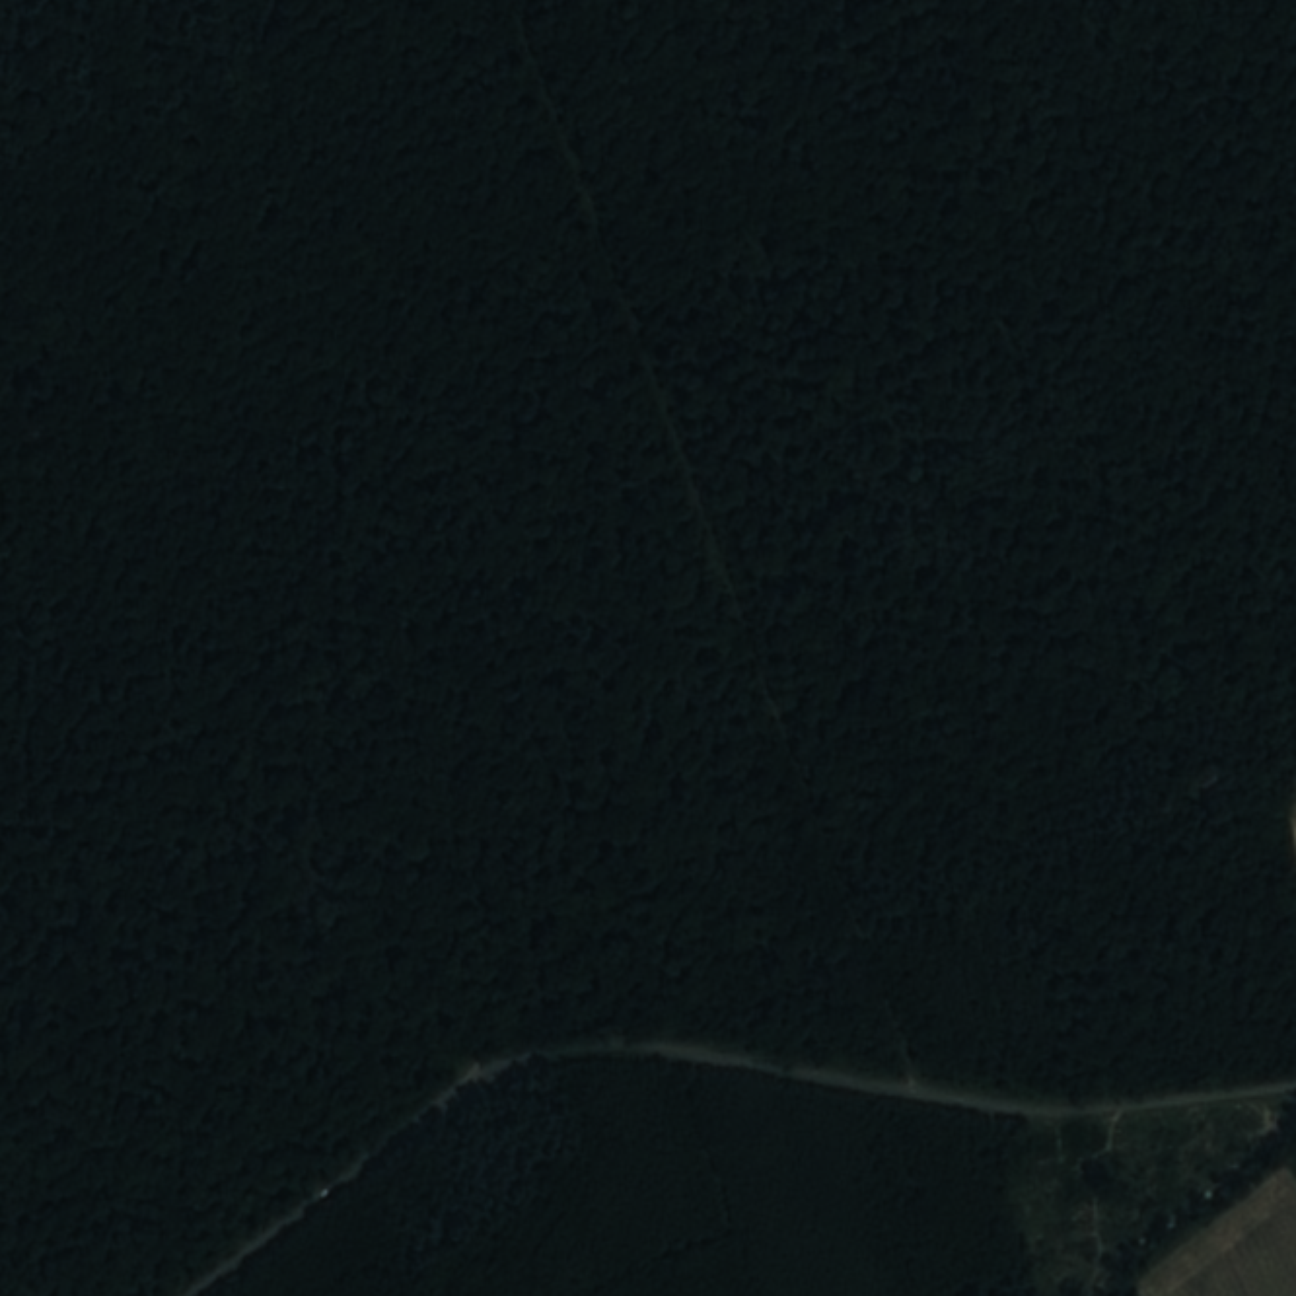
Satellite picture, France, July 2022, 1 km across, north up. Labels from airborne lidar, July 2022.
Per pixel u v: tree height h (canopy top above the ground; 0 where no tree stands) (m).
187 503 25
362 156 26
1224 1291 0
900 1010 12
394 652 27
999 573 24
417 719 25
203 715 24
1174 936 24
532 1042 21
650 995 21
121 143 26
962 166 27
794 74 28
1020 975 15
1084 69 22
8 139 30
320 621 29
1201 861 23
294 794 22
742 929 25
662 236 20
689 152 25
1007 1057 15
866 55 25
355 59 23
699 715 28
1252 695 20
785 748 9
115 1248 26
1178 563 20
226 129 22
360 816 26
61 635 24
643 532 27
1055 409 19
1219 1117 0
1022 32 22
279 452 23
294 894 25
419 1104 15
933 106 24
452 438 22
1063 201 20
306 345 23
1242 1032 21
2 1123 27
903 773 19
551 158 26
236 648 21
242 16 23
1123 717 22
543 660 27
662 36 26
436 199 25
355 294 23
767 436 24
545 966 26
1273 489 22
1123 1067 22
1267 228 14
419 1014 18
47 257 27
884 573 24
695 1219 11
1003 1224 13
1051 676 20
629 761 26
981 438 23
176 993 23
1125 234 20
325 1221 14
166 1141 17
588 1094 13
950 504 25
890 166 27
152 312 22
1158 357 22
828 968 23
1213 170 28
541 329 26
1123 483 22
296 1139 12
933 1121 11
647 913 24
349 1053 26
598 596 30
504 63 23
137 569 25
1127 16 24
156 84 25
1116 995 25
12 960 6
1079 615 22
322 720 23
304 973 27
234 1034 19
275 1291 16
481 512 24
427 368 21
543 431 29
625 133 25
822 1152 12
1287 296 19
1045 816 18
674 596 27
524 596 29
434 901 28
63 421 21
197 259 21
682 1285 13
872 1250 9
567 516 26
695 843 22
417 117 26
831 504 22
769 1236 11
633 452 25
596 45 22
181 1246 21
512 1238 14
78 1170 24
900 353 8
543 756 27
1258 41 25
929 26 25
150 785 24
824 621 22
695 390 24
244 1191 20
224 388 20
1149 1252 9
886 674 23
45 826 24
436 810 27
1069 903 23
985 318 21
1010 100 26
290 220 22
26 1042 30
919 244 24
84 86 28
